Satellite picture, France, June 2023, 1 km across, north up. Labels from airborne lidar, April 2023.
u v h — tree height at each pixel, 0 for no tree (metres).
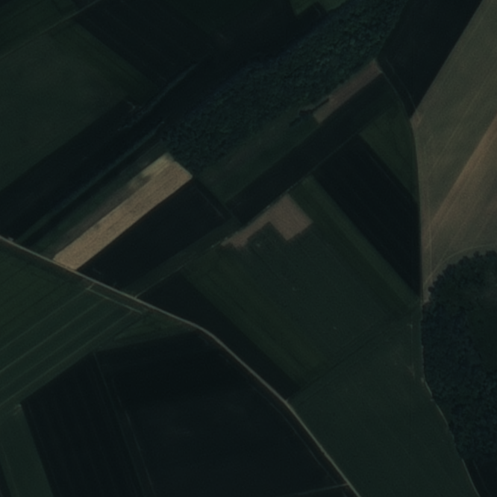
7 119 0
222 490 0
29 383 0
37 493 0
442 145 0
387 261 0
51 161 0
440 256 0
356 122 0
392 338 0
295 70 14
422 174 0
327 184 0
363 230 0
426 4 0
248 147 0
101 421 0
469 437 8
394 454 0
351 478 0
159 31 0
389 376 0
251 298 0
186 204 0
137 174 0
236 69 0
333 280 0
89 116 0
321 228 0
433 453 0
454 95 0
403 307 0
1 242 0
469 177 0
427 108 0
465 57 0
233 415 0
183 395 0
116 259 0
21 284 0
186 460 0
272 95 20
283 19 0
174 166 0
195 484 0
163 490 0
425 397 0
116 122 0
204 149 18
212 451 0
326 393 0
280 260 0
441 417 0
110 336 0
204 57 0
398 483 0
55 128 0
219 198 0
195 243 0
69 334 0
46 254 0
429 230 0
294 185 0
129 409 0
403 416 0
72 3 0
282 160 0
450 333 21
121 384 0
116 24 0
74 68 0
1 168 0
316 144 0
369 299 0
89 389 0
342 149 0
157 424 0
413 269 0
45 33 0
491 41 0
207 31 0
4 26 0
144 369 0
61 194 0
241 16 0
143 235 0
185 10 0
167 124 0
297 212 0
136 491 0
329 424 0
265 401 0
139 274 0
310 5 0
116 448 0
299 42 15
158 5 0
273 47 0
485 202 0
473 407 24
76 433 0
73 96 0
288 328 0
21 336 0
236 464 0
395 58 0
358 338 0
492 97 0
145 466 0
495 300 0
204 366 0
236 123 21
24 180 0
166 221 0
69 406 0
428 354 15
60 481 0
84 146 0
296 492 0
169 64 0
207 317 0
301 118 7
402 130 0
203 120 21
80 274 0
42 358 0
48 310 0
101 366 0
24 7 0
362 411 0
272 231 0
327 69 17
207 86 0
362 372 0
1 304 0
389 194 0
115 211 0
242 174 0
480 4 0
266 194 0
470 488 0
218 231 0
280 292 0
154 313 0
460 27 0
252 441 0
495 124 0
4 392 0
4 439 0
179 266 0
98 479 0
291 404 0
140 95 0
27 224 0
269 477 0
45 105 0
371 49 18
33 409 0
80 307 0
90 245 0
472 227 0
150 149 0
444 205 0
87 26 0
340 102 0
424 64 0
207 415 0
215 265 0
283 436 0
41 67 0
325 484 0
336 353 0
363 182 0
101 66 0
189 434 0
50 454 0
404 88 0
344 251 0
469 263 13
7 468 0
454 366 20
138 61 0
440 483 0
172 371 0
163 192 0
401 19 0
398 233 0
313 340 0
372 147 0
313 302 0
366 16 18
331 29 23
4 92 0
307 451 0
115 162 11
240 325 0
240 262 0
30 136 0
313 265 0
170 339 0
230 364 0
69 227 0
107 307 0
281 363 0
